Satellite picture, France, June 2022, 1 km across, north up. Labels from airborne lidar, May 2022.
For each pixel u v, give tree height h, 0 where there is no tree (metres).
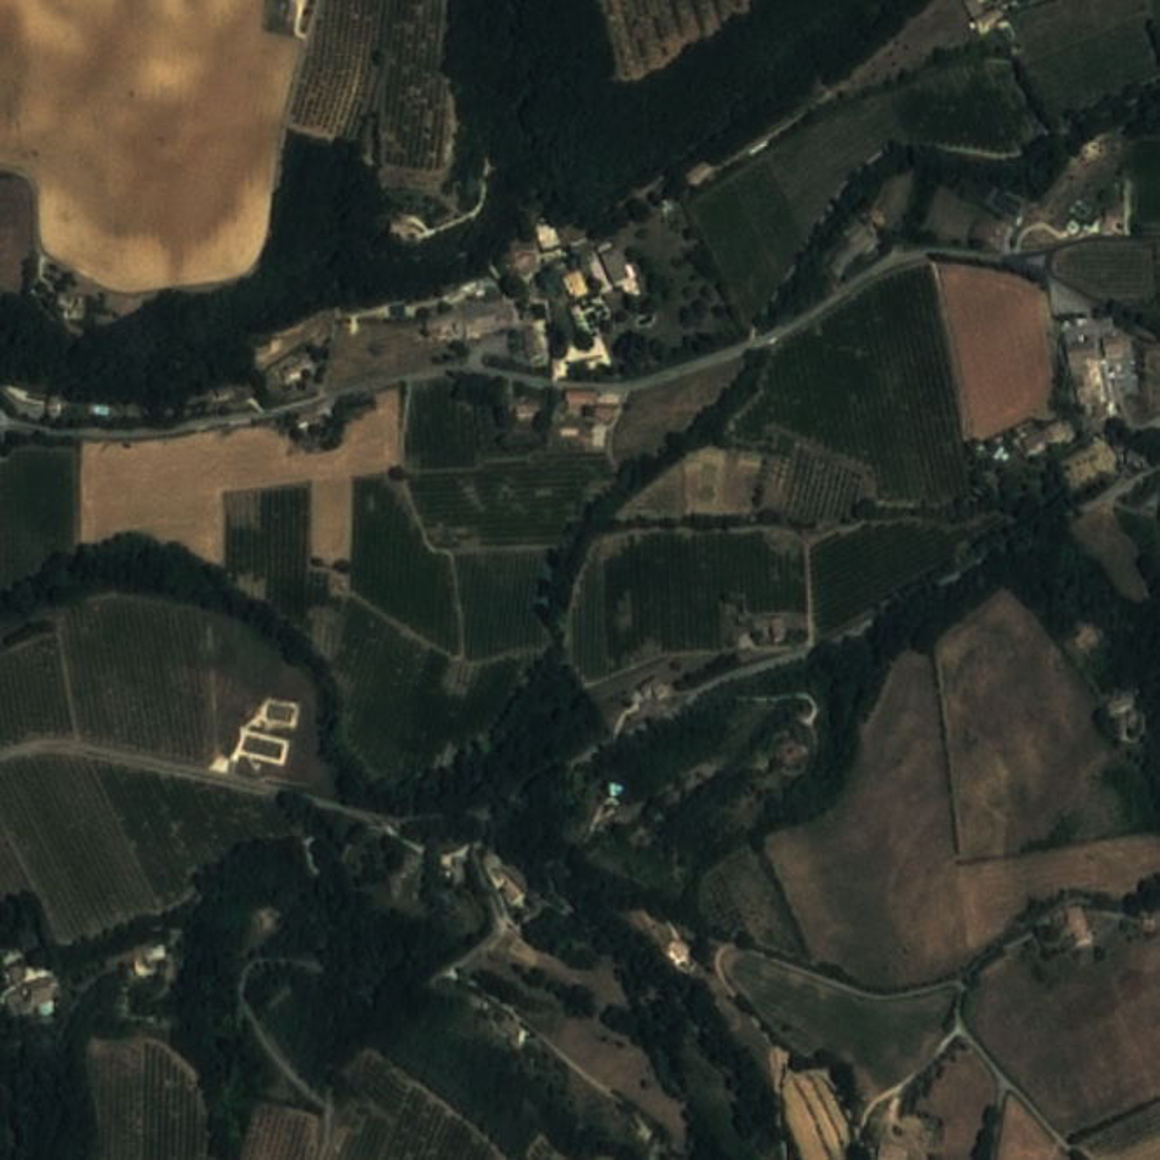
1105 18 0
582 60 16
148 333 9
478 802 14
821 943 0
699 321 9
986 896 0
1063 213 0
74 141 0
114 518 0
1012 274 18
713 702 10
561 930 19
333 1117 0
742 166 8
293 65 0
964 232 0
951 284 0
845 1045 0
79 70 0
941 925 0
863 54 14
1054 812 0
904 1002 0
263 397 14
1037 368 0
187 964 13
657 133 13
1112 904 13
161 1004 14
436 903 15
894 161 16
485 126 13
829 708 10
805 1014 0
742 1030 0
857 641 14
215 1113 12
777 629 0
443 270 15
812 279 13
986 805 0
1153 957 0
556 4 18
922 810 0
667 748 7
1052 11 0
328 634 0
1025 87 14
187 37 0
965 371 0
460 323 0
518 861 6
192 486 0
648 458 12
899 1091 0
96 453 0
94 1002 7
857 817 0
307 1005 10
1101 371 0
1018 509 14
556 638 11
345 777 19
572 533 12
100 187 0
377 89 0
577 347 7
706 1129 15
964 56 10
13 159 0
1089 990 0
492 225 9
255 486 0
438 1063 7
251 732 0
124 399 14
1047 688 0
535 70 10
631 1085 0
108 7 0
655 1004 9
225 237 0
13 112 0
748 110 17
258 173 0
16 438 14
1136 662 16
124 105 0
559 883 9
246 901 7
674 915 12
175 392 13
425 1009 10
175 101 0
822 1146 0
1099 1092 0
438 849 11
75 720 0
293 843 14
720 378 0
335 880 19
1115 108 12
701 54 15
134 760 0
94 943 8
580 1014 12
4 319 14
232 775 0
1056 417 0
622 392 0
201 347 15
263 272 8
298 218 16
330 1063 12
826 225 8
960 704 0
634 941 9
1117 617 12
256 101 0
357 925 21
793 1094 0
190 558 11
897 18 13
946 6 0
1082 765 0
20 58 0
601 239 22
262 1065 8
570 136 10
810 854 0
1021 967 0
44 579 13
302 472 0
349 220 19
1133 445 12
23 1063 12
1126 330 10
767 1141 14
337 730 19
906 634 15
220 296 8
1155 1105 6
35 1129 18
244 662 0
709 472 0
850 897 0
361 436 0
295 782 0
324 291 14
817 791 9
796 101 10
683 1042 13
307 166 13
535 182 24
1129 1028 0
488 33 17
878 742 0
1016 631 0
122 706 0
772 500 0
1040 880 0
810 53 12
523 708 20
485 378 11
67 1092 17
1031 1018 0
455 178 7
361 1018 22
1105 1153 0
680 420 0
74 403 14
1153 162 0
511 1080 12
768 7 14
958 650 0
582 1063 0
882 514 7
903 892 0
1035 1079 0
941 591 16
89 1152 11
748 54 11
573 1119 7
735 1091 13
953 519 11
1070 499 15
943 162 21
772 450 6
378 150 8
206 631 0
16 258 0
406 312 0
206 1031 19
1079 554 19
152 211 0
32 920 8
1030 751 0
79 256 0
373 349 0
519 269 0
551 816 13
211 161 0
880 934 0
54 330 7
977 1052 0
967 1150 0
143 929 9
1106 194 8
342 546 0
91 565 14
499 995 13
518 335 9
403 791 16
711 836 7
